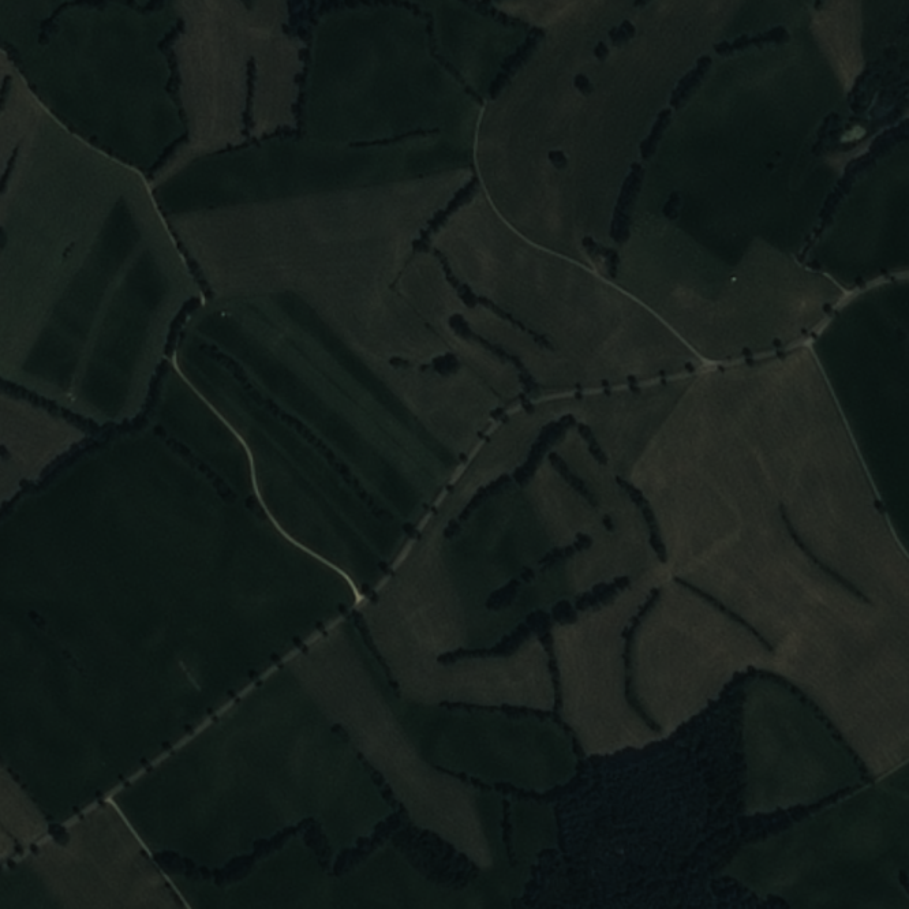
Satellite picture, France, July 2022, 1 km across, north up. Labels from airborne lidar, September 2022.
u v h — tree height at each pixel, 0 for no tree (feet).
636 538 0
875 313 0
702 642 0
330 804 0
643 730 0
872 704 0
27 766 0
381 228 0
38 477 0
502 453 0
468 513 30
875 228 0
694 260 0
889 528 0
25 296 0
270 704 0
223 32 0
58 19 19
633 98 0
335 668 0
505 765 0
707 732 69
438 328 0
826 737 0
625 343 0
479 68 0
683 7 0
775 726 0
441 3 0
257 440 0
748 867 0
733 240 0
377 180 0
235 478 0
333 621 0
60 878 0
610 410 0
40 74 0
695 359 0
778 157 21
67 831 39
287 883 0
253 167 0
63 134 0
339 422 0
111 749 0
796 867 0
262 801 0
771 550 0
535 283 0
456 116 0
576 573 0
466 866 54
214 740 0
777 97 0
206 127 0
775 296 0
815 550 0
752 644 0
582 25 0
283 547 0
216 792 0
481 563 0
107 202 0
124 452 0
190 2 0
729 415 0
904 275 0
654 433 0
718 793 65
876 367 0
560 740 0
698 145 0
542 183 0
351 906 0
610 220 0
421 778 0
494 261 0
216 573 0
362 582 0
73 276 0
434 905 0
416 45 0
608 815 65
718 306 0
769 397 0
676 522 0
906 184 0
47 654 0
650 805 93
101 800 24
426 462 0
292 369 0
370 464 0
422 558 0
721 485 0
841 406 0
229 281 0
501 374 0
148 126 0
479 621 0
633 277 0
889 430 0
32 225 0
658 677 0
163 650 0
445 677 0
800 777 0
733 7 0
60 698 0
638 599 0
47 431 0
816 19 0
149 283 0
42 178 0
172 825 0
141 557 0
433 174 0
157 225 0
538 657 0
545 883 57
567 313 0
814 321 0
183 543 0
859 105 51
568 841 58
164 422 0
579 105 0
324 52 0
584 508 0
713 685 0
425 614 0
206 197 0
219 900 0
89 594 0
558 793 48
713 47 0
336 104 0
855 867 0
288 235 0
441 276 0
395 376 0
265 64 0
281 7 0
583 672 0
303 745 0
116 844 0
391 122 0
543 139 0
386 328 0
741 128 0
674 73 0
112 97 0
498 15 36
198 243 0
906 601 0
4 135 0
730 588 0
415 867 22
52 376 0
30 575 0
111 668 0
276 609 0
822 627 0
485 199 0
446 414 0
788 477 0
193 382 0
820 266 41
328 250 0
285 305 0
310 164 0
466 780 43
